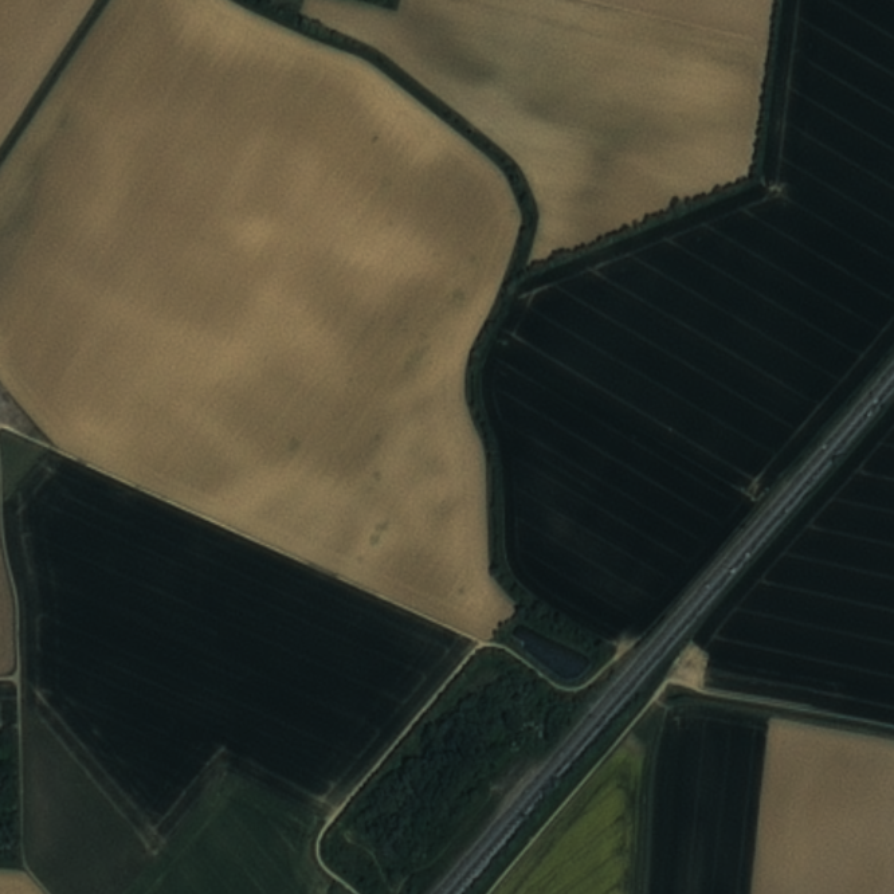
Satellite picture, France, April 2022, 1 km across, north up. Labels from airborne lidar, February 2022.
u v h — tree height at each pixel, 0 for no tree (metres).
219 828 0
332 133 0
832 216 0
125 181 0
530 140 0
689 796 0
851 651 0
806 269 0
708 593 0
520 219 0
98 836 0
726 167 0
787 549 0
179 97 0
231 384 0
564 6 0
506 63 0
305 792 0
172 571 0
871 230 0
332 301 0
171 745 0
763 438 0
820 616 0
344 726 0
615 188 0
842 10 0
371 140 0
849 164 0
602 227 0
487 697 9
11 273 0
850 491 0
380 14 0
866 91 0
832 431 0
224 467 0
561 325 0
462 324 0
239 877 0
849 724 0
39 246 0
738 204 0
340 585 0
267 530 0
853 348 0
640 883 0
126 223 0
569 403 0
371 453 0
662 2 0
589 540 0
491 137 0
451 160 0
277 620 0
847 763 0
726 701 0
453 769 29
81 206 0
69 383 0
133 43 0
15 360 0
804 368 0
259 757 0
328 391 0
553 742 16
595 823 0
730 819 0
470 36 0
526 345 0
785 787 0
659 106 0
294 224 0
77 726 0
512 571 0
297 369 0
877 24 0
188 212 0
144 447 0
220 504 0
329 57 0
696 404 0
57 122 0
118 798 0
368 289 0
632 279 0
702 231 0
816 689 0
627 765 0
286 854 0
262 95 0
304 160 0
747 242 0
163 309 0
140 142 0
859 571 0
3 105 0
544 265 11
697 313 0
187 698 0
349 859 0
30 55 0
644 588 0
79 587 0
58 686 0
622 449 0
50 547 0
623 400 0
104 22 0
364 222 0
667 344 0
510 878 0
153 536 0
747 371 0
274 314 0
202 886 0
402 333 0
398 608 0
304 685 0
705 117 0
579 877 0
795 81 0
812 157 0
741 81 0
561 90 0
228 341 0
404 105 0
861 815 0
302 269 0
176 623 0
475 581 0
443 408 0
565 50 0
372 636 0
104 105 0
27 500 0
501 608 0
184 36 0
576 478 0
